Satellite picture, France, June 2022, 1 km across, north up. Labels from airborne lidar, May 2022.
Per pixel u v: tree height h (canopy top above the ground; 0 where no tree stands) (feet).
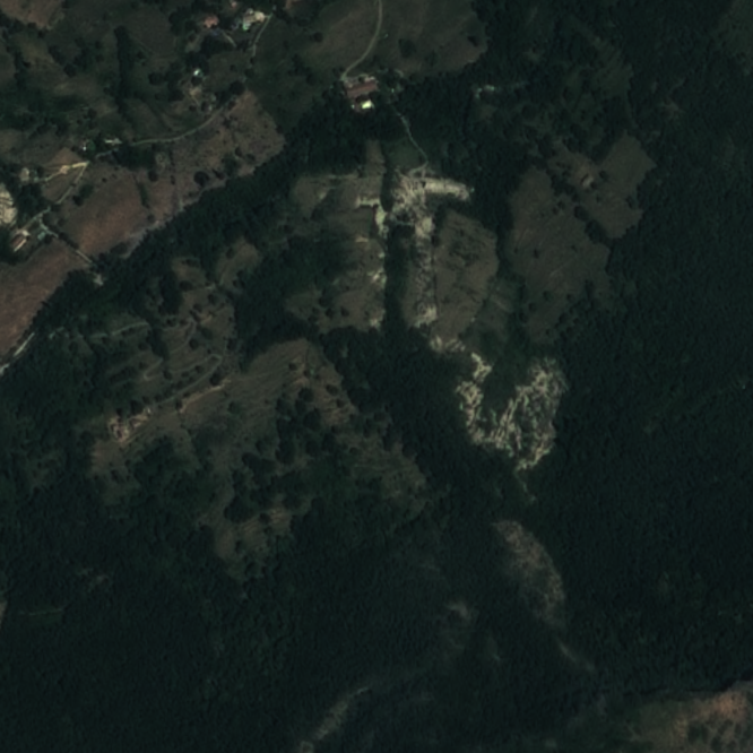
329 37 0
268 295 32
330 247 22
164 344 29
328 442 44
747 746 0
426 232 0
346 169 20
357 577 49
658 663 52
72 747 36
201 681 35
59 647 41
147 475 38
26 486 49
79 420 32
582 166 0
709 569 57
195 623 52
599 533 50
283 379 0
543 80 34
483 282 0
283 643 41
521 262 0
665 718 0
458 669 20
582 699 42
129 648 38
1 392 43
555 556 35
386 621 35
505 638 33
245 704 53
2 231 27
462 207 31
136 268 34
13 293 0
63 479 42
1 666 42
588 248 0
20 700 38
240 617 53
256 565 39
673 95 21
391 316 31
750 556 62
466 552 37
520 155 26
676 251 22
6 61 0
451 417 36
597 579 41
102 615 37
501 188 29
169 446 34
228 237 40
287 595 41
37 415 33
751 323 48
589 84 37
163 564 28
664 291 36
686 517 55
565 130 19
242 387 0
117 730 42
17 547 22
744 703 0
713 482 63
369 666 29
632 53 38
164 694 41
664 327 24
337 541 30
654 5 43
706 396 48
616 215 0
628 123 31
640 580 50
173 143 26
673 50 39
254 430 0
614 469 51
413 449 34
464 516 36
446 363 31
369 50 0
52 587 49
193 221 52
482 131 25
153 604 53
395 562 27
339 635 55
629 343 40
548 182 0
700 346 46
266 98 0
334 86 22
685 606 56
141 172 0
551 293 32
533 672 44
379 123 53
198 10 27
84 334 35
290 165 39
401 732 39
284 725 45
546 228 0
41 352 25
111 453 0
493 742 36
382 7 0
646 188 41
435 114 36
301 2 0
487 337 25
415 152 0
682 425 48
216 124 0
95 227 0
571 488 69
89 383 42
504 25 52
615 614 65
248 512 46
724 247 34
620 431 59
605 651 31
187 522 20
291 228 35
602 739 0
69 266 0
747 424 37
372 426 33
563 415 35
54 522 51
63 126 43
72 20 0
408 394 49
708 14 24
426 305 0
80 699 50
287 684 53
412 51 35
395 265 43
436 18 0
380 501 27
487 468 41
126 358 37
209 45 61
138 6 30
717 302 46
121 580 49
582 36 56
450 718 36
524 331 45
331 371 0
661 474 46
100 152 21
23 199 50
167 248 54
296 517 31
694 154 44
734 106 34
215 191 45
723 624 67
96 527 41
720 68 46
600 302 32
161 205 0
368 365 33
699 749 0
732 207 44
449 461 40
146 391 0
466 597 17
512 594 36
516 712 19
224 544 0
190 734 45
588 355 32
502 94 29
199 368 31
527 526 41
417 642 29
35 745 38
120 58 35
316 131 64
